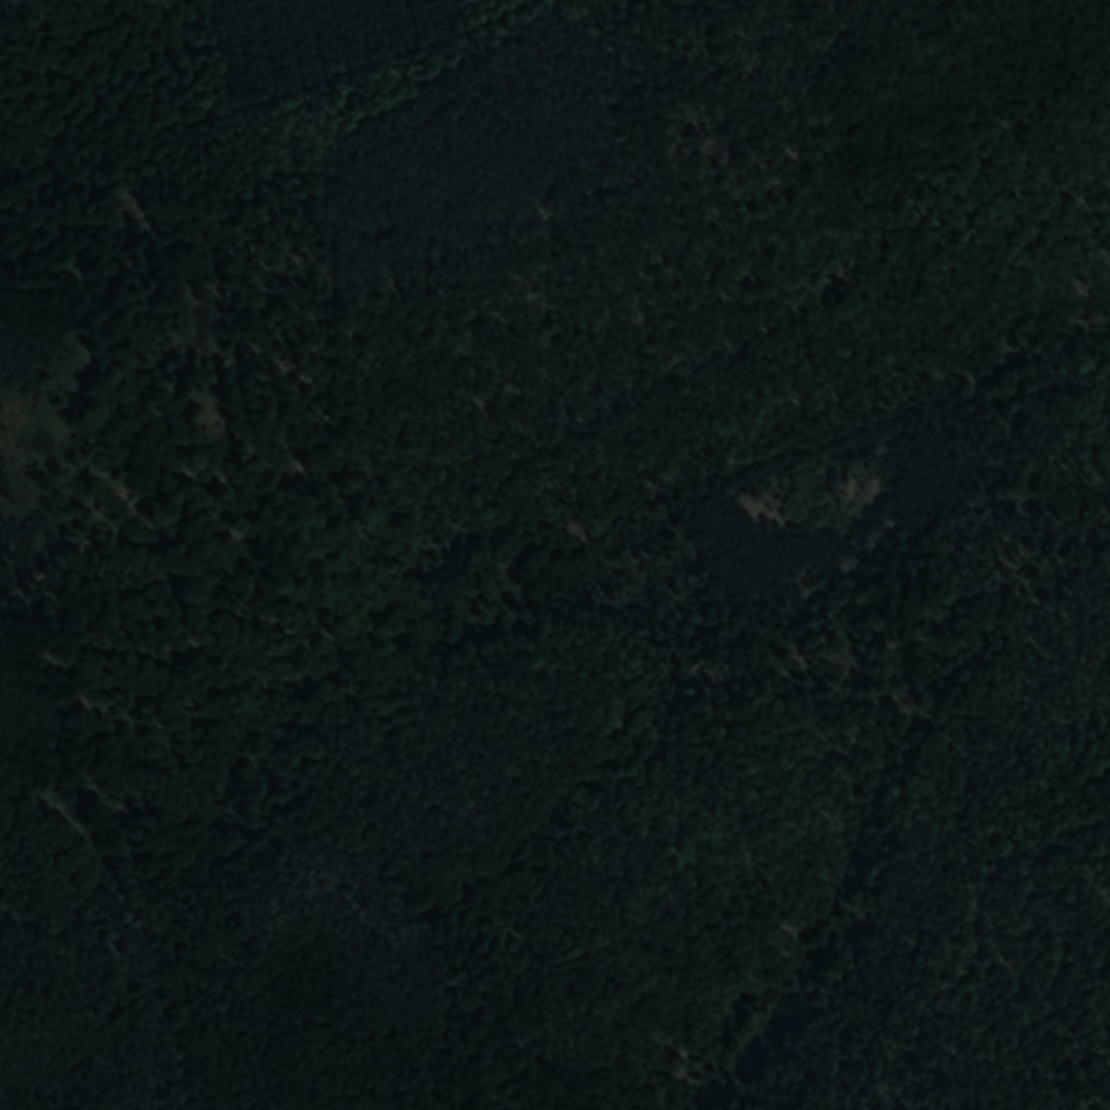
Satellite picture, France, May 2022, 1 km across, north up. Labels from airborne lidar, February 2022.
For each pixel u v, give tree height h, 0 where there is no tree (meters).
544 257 29
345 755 28
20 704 21
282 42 18
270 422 35
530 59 20
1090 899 27
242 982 20
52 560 17
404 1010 21
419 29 17
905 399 11
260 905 26
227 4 20
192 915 24
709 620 24
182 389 22
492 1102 27
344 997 20
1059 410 27
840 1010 33
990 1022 27
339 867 19
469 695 33
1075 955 21
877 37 20
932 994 30
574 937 27
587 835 33
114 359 25
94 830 18
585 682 26
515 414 27
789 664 30
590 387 27
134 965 27
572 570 22
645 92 26
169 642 31
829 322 28
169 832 33
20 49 27
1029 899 27
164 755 34
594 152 16
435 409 27
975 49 20
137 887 29
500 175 18
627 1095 30
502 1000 28
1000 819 30
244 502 34
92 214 31
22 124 34
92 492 31
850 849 5
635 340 25
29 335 17
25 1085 22
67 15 28
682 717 28
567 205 22
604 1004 26
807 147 25
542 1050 28
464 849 25
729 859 29
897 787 26
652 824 33
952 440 30
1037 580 22
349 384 27
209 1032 23
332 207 21
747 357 26
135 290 27
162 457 31
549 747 28
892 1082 25
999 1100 24
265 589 34
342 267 22
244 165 29
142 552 37
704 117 27
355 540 33
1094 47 23
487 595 30
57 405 15
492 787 28
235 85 17
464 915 30
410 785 23
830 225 29
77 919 33
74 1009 26
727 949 31
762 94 24
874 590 30
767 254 28
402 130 16
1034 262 30
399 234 20
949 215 34
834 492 12
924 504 15
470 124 19
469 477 29
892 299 25
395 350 29
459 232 21
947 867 27
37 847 24
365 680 33
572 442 33
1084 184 29
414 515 32
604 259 25
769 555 15
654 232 25
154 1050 23
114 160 33
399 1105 25
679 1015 35
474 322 23
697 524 15
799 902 35
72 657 30
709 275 25
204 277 28
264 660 32
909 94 22
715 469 26
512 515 29
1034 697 29
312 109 28
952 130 27
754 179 27
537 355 27
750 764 26
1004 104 24
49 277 29
